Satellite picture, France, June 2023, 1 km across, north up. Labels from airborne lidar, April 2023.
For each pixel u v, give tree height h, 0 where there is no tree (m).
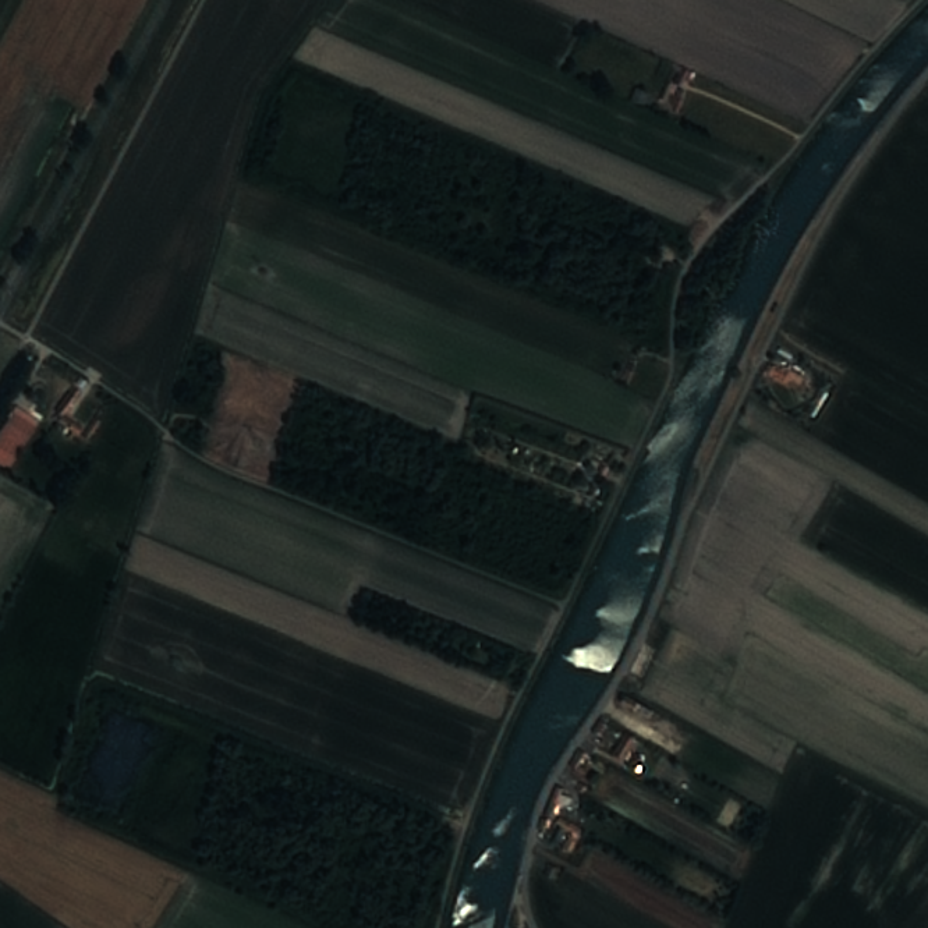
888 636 0
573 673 0
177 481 0
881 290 0
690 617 0
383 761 0
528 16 0
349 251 0
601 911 0
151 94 0
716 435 0
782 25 0
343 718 0
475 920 0
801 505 0
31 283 0
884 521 0
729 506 0
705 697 0
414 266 0
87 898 0
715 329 0
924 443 0
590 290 16
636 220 15
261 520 0
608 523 0
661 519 0
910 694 0
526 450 0
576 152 0
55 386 0
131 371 0
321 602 0
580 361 0
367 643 0
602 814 8
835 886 0
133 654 0
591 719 0
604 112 0
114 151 0
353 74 0
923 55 0
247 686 0
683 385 0
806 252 0
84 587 0
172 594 0
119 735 0
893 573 0
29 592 0
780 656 0
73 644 0
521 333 0
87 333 0
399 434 9
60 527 0
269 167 7
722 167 0
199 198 0
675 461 0
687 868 0
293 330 0
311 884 16
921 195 0
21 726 0
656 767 0
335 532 0
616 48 0
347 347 0
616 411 0
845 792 0
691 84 0
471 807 0
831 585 0
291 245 0
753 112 0
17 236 0
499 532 8
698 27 0
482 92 0
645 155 0
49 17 0
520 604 0
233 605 0
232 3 0
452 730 0
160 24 0
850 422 0
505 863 0
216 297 0
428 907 10
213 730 0
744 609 0
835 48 0
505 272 7
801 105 0
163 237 0
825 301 0
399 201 12
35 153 0
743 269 0
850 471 0
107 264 0
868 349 0
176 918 0
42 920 0
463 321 0
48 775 0
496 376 0
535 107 0
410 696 0
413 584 0
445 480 5
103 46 0
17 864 0
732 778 0
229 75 0
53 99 0
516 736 0
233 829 15
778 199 0
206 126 0
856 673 0
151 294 0
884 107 0
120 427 0
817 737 0
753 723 0
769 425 0
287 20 0
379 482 14
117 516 0
